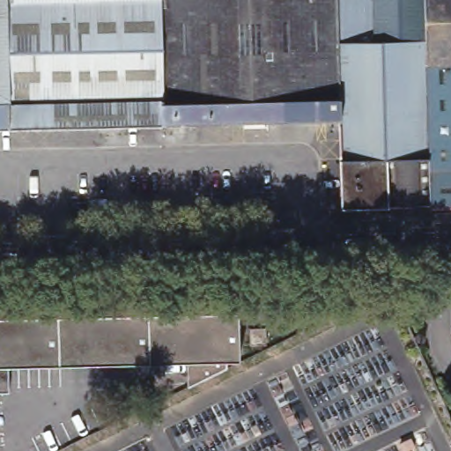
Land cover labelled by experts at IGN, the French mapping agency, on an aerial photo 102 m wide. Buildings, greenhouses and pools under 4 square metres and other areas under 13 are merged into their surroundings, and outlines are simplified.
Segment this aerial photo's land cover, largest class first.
<instances>
[{"label":"building","instance_id":"1","mask_svg":"<svg viewBox=\"0 0 451 451\"><path fill-rule=\"evenodd\" d=\"M220 120L240 125L344 120L345 148L336 146L335 152V159L338 160L336 187L340 192V206H345V203L352 199H361L366 204H373L381 194L391 192L393 183L405 192H421L423 196L430 197L432 203L440 201L451 210V0H0V132H37V127H48L49 132L60 129L118 127H159V130H166L176 125L194 122L217 123ZM298 335V331H291L287 335H273L262 329L259 324H224L218 321L215 315H199L196 319L180 317V321L169 322L167 326H159V317H97V324H67L56 319L53 326H41L33 322L4 324L0 321V395H12V386L16 384L14 373L18 368H79L88 366V363L134 365L136 358L152 351L153 345L166 347L173 365H241L245 359L268 352L275 345Z\"/></svg>","mask_w":451,"mask_h":451},{"label":"impervious surface","instance_id":"2","mask_svg":"<svg viewBox=\"0 0 451 451\"><path fill-rule=\"evenodd\" d=\"M336 146L345 148L344 120L240 125L220 120L217 123L194 122L176 125L166 130H159V127H118L60 129L49 132L48 127H37V132H0V220L12 218L19 211L56 215L60 211L72 210L76 206L79 211H85L90 208V204L104 203L107 199L122 206L132 204L144 213H152V204L155 201H169V210L178 211L185 206L192 208L196 203V196H203L210 199L211 206H236L240 213L247 210L250 204L255 208L266 204L273 211L275 222L282 227L303 231L308 236H326L335 231L338 236L349 238V233L358 231L363 224L381 225L384 222H391L398 225L405 234H432L439 231L444 236L446 245L451 247V210L440 201L432 203L430 197L423 196L421 192H405L393 183L391 192L381 194L373 204H366L361 199H352L345 203V206H340V192L336 187L338 160L335 159V152ZM430 354H419L412 359L405 356L407 342H402L398 338L395 329L379 331L370 328L366 322H358L345 329L322 328L317 333L315 329L307 328L298 331V335L275 345L268 352L245 359L241 365H173L166 347L153 345L152 351L136 358L134 365L88 363V366L79 368H18L14 373L16 384L12 386V395H0V451H451V428H442V423L433 410V403L428 400L419 379L432 375L433 379H442L447 393H451V310H446L437 319H433L428 321L426 329ZM113 382L125 386H141L143 393L153 386H164L169 398L166 409L162 412V421L144 425L137 418H129V425L123 432L113 425L93 435L88 433V430L83 428L81 418L74 416L72 412L74 409L85 407V393L90 386L106 393Z\"/></svg>","mask_w":451,"mask_h":451},{"label":"deciduous trees","instance_id":"3","mask_svg":"<svg viewBox=\"0 0 451 451\"><path fill-rule=\"evenodd\" d=\"M169 201H155L152 204V213H144L132 204L122 206L107 199L104 203L90 204V208L85 211H79L76 206L72 210L60 211L56 215L19 211L12 218L0 220V321L4 324L33 322L41 326H53L56 319L67 324H97V317H159V326H167L169 322L180 321V317L196 319L199 315H215L218 321L224 324H259L262 329L273 335H287L291 331H298L307 328L315 329L317 333L322 328L345 329L358 322H366L402 317L410 322L416 315L428 314L432 315L433 319H437L446 310H451V247L446 245L444 236L439 231L432 234H405L398 225L391 222H384L381 225L363 224L358 231L349 233V238L338 236L335 231L326 236H308L303 231L282 227L275 222L273 211L266 204L255 208L250 204L247 210L240 213L236 206H211L210 199L203 196H196V203L192 208L185 206L178 211L169 210ZM169 398L164 386H153L143 393L141 386H125L113 382L106 393L90 386L85 393V407L74 409L72 412L74 416L81 418L83 428L88 430V433L93 435L113 425L123 432L129 425V418H137L144 425L162 421V412L166 409Z\"/></svg>","mask_w":451,"mask_h":451},{"label":"brushwood","instance_id":"4","mask_svg":"<svg viewBox=\"0 0 451 451\"><path fill-rule=\"evenodd\" d=\"M428 321L433 319L432 315L428 314L416 315L410 322L402 317L366 322L370 328L379 331L395 329L398 338L402 342H407L405 356L412 359L419 354H430L426 329ZM428 400L433 403V410L442 423V428H451V393H447L442 379H433L432 375L419 379Z\"/></svg>","mask_w":451,"mask_h":451}]
</instances>
